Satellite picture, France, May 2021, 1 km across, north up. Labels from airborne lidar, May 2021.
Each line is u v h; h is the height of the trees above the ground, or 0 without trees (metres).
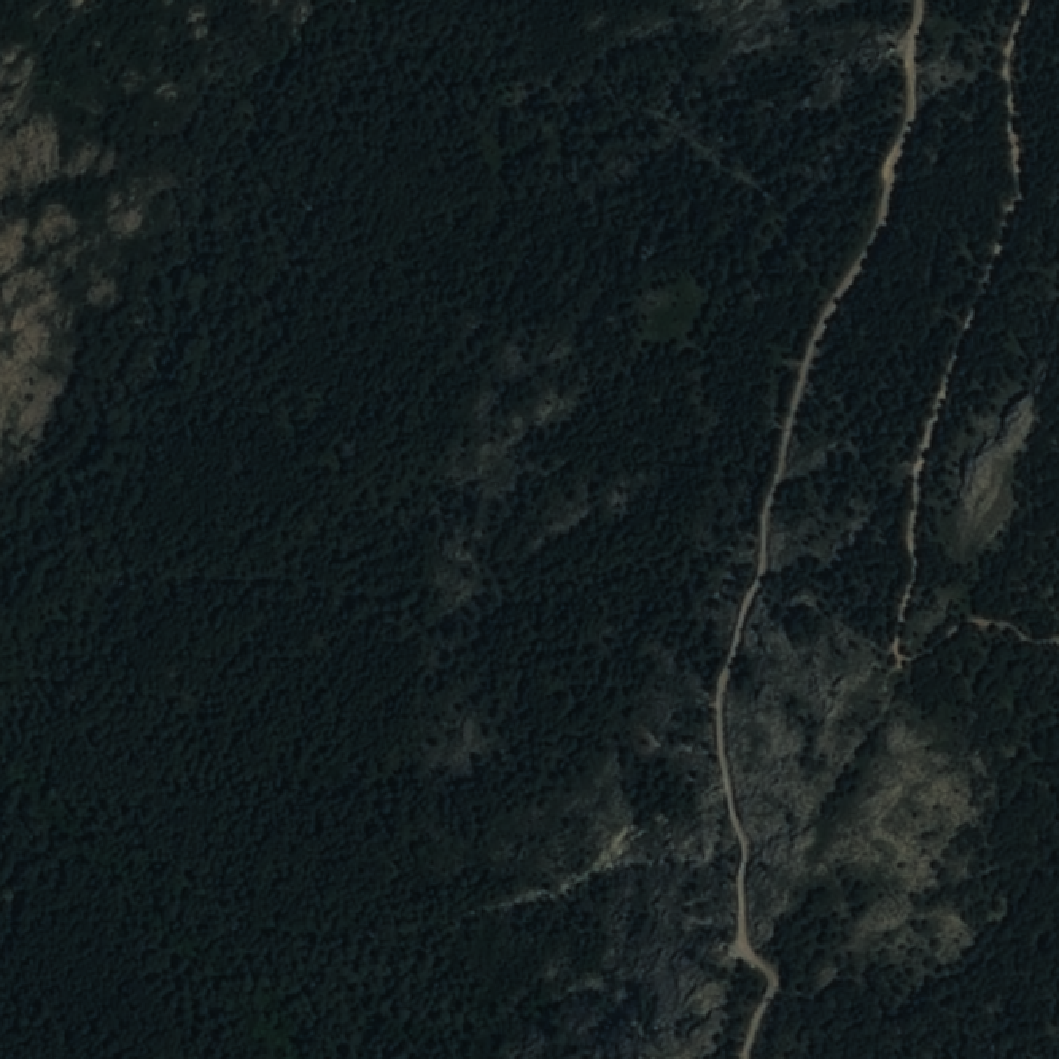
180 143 27
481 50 19
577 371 10
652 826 15
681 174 16
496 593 17
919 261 22
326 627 14
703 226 16
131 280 18
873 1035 21
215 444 17
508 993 9
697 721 12
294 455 16
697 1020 10
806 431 14
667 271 13
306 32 21
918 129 10
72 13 12
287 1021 14
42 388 0
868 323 19
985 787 6
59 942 21
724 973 11
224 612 24
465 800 17
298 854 27
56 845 26
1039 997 25
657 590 15
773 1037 16
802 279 26
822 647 0
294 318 21
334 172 23
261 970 26
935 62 0
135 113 22
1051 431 13
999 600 16
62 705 29
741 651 11
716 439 12
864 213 20
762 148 11
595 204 10
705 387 12
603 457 19
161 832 26
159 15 6
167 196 20
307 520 20
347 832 21
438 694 17
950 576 13
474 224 18
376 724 23
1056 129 18
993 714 11
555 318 12
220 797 24
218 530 20
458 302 16
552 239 15
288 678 19
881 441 19
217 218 24
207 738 19
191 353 33
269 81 22
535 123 10
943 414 11
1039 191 19
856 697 0
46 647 29
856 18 10
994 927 20
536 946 9
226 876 20
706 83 16
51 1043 25
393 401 20
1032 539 16
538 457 12
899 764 0
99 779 23
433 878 6
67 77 14
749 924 0
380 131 24
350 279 25
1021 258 16
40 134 0
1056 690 10
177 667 24
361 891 29
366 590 21
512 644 20
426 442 15
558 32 15
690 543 14
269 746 24
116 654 15
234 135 22
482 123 17
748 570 13
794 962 21
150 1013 25
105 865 10
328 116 23
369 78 18
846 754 0
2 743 20
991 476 0
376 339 24
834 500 10
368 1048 24
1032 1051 17
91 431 23
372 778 18
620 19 13
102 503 24
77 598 24
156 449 21
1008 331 13
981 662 15
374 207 21
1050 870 24
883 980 19
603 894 15
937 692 11
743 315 18
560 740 18
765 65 11
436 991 20
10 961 19
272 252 21
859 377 15
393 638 13
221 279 25
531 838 6
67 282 12
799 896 8
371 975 20
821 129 15
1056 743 26
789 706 9
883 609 11
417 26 21
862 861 0
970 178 22
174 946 22
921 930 11
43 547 20
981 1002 21
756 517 7
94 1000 17
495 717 17
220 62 15
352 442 23
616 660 9
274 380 18
